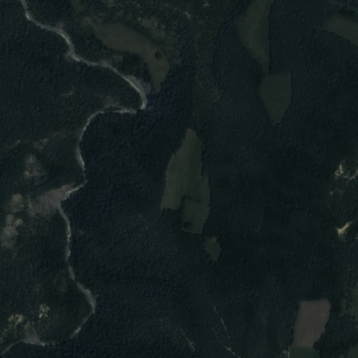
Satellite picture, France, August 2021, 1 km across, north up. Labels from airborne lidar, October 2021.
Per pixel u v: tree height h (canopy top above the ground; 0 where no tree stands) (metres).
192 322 16
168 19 8
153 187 13
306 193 17
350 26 0
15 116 10
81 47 11
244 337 10
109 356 24
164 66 0
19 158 11
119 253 14
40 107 16
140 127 17
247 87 10
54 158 12
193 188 0
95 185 11
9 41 14
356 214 13
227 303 14
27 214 7
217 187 13
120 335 12
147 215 10
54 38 16
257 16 0
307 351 0
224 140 10
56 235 17
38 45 17
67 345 14
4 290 8
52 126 13
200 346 12
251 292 6
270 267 14
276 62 15
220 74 9
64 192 0
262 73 14
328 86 14
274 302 8
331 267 15
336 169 9
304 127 11
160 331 12
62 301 17
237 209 10
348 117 18
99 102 12
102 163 12
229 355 8
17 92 16
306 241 12
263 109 11
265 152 16
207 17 6
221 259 14
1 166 17
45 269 18
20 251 8
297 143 15
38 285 7
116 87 8
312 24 13
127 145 11
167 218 16
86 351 21
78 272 16
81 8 0
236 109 9
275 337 7
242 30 0
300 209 15
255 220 18
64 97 7
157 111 6
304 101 10
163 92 7
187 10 9
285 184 17
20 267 8
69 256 8
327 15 13
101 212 11
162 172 8
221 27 15
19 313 6
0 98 10
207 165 12
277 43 15
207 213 0
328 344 10
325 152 19
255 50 0
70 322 16
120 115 20
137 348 15
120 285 20
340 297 12
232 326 11
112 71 6
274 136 11
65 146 10
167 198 0
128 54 5
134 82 0
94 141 19
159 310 10
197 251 11
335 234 8
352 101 15
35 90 20
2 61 11
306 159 15
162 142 15
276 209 15
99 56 10
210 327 10
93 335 8
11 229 0
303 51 12
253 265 18
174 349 15
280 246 16
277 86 0
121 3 6
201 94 8
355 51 14
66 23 5
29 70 14
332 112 17
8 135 10
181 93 12
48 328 7
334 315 12
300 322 0
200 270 13
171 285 20
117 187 14
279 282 13
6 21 7
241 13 13
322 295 13
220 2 8
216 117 9
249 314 11
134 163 10
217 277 15
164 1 6
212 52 11
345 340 8
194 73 10
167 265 9
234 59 12
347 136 14
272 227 14
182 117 9
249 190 15
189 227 17
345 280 10
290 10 13
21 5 14
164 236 11
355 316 11
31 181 5
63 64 14
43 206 0
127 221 9
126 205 13
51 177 8
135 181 11
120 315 8
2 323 9
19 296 7
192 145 0
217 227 17
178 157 0
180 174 0
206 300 10
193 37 7
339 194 9
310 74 13
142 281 17
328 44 15
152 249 10
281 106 0
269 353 6
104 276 21
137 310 13
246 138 13
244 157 11
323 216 14
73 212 11
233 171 13
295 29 13
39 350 17
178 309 16
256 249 18
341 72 19
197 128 14
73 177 13
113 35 0
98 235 11
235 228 15
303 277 9
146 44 0
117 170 11
